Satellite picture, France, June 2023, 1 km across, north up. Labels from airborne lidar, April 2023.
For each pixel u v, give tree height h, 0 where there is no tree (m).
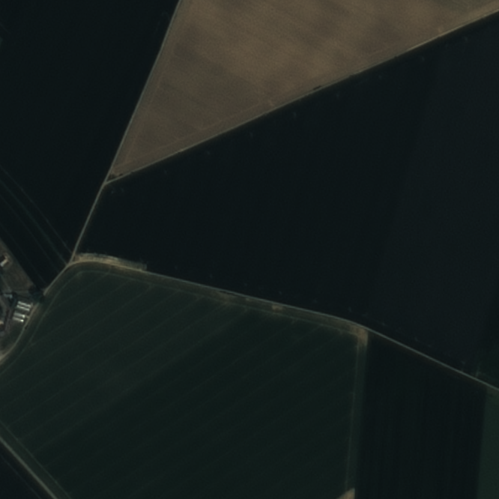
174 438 0
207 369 0
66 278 0
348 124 0
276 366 0
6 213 0
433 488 0
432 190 0
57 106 0
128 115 0
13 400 0
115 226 0
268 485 0
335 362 0
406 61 0
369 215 0
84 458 0
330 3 0
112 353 0
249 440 0
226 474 0
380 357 0
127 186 0
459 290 0
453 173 0
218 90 0
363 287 0
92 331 0
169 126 0
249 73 0
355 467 0
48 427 0
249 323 0
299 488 0
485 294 0
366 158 0
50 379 0
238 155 0
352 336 0
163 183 0
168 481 0
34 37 0
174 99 0
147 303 0
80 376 0
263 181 0
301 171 0
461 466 0
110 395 0
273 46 0
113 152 0
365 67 0
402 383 0
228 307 0
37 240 0
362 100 0
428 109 0
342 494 0
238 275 0
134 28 0
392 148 0
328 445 0
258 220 0
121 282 0
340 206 0
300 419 0
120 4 0
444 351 0
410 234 0
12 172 0
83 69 0
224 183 0
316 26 0
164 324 0
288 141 0
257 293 0
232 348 0
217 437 0
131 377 0
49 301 0
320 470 0
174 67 0
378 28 0
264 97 0
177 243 0
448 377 0
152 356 0
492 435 0
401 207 0
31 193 0
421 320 0
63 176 0
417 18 0
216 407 0
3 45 0
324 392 0
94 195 0
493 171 0
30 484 0
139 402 0
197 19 0
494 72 0
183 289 0
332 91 0
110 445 0
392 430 0
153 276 0
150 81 0
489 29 0
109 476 0
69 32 0
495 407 0
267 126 0
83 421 0
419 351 0
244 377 0
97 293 0
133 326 0
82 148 0
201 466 0
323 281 0
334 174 0
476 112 0
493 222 0
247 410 0
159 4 0
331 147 0
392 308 0
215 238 0
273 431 0
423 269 0
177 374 0
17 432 0
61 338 0
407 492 0
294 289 0
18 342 0
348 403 0
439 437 0
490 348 0
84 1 0
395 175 0
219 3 0
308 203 0
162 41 0
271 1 0
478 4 0
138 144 0
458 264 0
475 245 0
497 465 0
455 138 0
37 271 0
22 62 0
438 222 0
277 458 0
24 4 0
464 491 0
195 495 0
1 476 0
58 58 0
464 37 0
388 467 0
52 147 0
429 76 0
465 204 0
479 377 0
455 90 0
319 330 0
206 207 0
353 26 0
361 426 0
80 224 0
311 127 0
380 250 0
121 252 0
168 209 0
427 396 0
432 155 0
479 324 0
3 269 10
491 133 0
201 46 0
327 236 0
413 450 0
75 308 0
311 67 0
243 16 0
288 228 0
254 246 0
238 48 0
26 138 0
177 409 0
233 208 0
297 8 0
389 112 0
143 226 0
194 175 0
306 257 0
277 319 0
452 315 0
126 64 0
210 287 0
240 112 0
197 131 0
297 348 0
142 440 0
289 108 0
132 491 0
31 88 0
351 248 0
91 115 0
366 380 0
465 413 0
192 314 0
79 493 0
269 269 0
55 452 0
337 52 0
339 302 0
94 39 0
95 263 0
